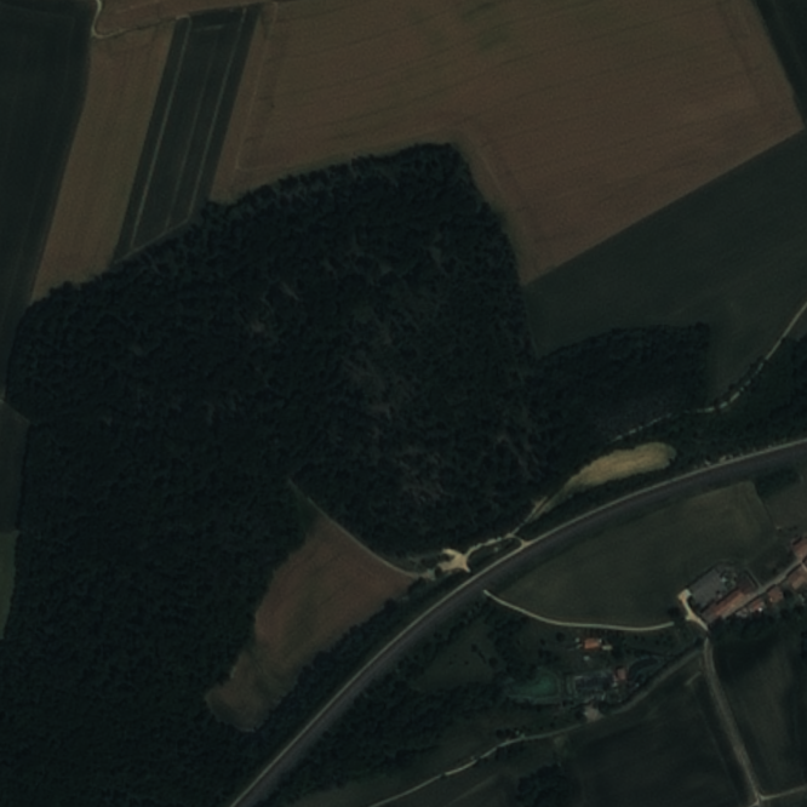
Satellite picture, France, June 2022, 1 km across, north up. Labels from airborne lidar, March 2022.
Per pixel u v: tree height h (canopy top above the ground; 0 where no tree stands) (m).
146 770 16
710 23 0
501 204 0
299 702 13
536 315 0
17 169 0
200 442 21
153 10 0
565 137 0
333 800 0
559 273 0
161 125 0
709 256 0
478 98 0
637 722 0
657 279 0
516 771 0
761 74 0
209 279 8
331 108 0
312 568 0
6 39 0
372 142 0
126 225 0
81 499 21
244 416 25
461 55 0
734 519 0
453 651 0
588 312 0
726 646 0
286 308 22
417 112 0
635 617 0
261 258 20
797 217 0
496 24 0
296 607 0
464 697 9
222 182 0
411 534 14
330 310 23
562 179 0
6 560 0
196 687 9
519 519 13
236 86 0
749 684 0
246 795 0
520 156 0
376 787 0
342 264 25
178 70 0
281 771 0
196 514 17
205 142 0
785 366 6
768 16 0
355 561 0
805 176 0
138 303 23
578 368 19
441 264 0
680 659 0
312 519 0
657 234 0
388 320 15
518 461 24
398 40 0
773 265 0
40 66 0
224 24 0
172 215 0
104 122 0
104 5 0
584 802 0
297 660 0
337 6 0
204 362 21
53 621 20
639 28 0
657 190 0
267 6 0
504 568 0
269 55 0
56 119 0
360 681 0
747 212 0
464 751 0
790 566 0
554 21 0
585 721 9
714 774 0
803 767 0
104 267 0
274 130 0
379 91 0
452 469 13
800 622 0
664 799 0
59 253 0
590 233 0
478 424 14
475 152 0
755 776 0
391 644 0
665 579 0
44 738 13
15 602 9
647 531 0
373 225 16
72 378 19
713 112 0
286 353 24
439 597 0
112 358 20
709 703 0
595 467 0
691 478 0
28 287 0
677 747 0
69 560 20
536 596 0
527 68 0
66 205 0
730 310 0
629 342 15
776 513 0
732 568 0
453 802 0
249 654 0
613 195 0
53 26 0
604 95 0
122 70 0
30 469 14
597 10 0
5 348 0
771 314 0
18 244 0
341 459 25
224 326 21
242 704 0
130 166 0
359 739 23
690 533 0
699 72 0
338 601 0
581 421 15
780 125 0
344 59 0
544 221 0
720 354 0
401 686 18
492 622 8
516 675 15
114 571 24
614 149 0
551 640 0
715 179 0
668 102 0
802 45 0
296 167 0
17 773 16
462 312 9
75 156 0
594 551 0
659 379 15
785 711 0
